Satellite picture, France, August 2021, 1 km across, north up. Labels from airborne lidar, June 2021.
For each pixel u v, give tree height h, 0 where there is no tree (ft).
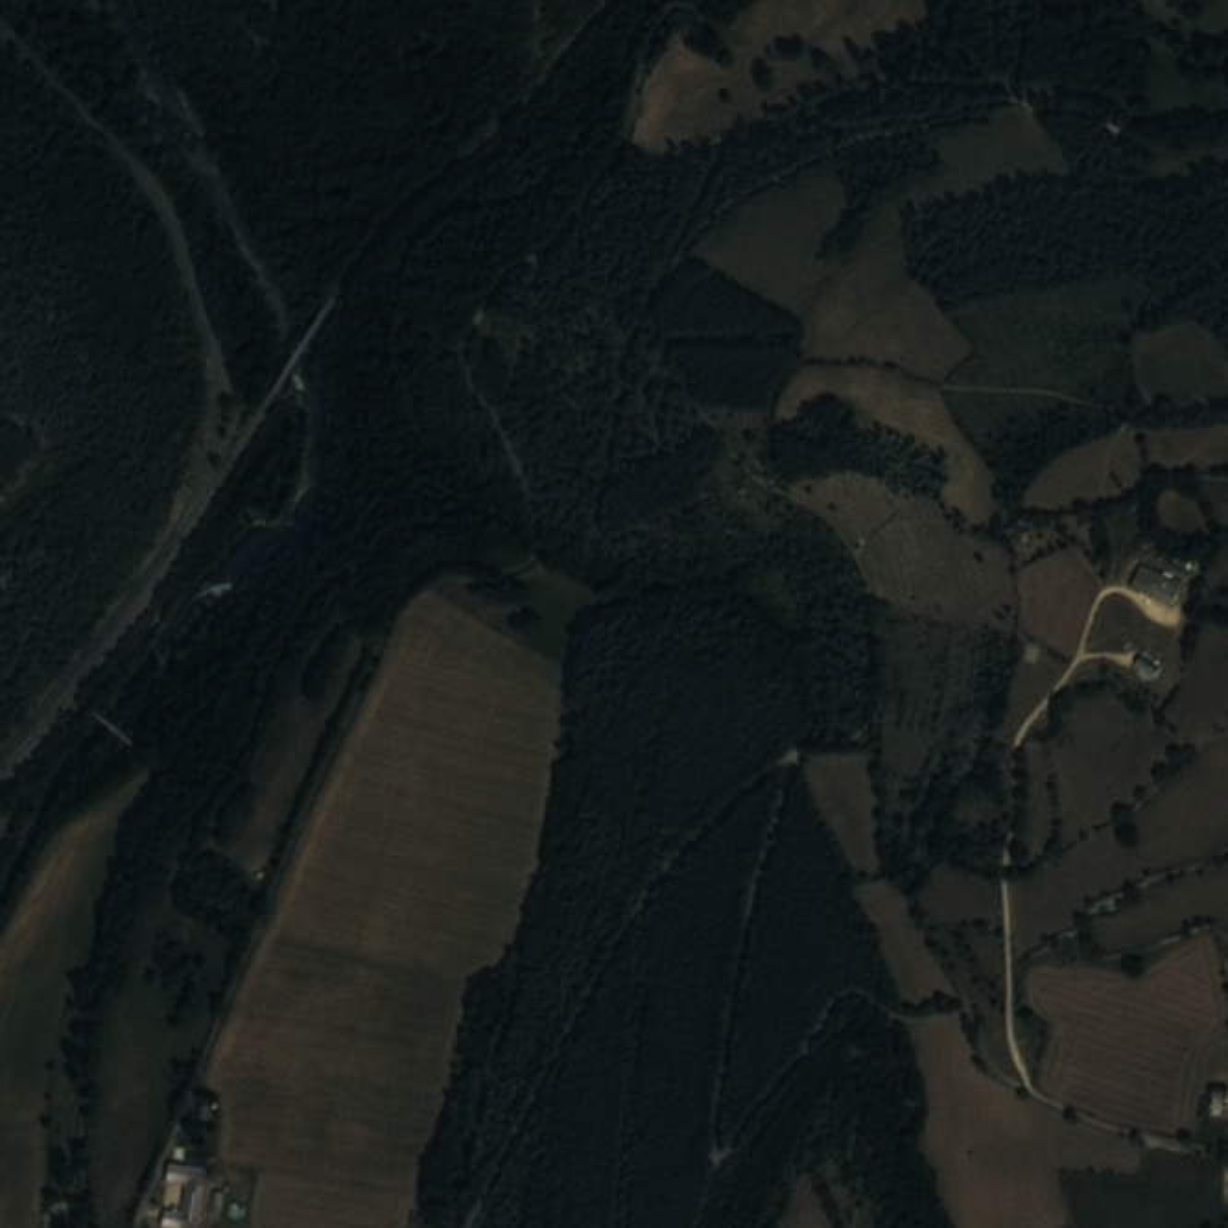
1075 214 54
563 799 49
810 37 0
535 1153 26
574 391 27
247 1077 0
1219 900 0
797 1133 27
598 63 57
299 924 0
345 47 74
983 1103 0
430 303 73
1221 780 0
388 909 0
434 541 67
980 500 0
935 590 0
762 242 0
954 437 0
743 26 0
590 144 50
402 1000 0
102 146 55
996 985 22
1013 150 0
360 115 38
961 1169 0
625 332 50
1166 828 0
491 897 0
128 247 53
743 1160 30
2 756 0
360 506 65
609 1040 40
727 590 47
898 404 0
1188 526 0
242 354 57
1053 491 0
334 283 54
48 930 0
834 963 28
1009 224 42
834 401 37
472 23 50
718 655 21
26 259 53
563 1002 20
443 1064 0
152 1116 0
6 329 26
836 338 0
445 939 0
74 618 42
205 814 37
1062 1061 0
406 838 0
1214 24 0
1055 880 0
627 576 52
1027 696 0
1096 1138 0
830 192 0
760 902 35
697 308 58
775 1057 33
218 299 91
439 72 72
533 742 0
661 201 38
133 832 60
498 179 80
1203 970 0
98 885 0
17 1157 0
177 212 40
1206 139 52
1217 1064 0
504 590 44
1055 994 0
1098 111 55
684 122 0
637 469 37
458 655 0
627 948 39
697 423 25
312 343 30
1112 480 0
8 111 58
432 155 75
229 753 50
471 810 0
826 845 32
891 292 0
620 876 23
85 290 40
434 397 44
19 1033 0
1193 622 39
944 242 31
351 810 0
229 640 57
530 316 38
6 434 50
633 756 42
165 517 39
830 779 0
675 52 0
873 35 0
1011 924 0
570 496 20
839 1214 20
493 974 30
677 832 31
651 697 37
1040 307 0
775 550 38
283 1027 0
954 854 24
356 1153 0
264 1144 0
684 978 38
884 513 0
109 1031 0
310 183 58
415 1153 0
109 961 42
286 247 39
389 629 30
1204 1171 0
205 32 77
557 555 53
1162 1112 0
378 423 75
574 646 21
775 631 52
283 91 59
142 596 0
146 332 41
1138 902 39
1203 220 52
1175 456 0
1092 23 77
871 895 0
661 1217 37
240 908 41
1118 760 0
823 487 0
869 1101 40
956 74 72
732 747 34
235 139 62
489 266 61
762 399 60
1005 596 0
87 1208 26
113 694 49
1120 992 0
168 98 0
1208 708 0
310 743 0
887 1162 32
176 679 47
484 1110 41
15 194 50
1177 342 0
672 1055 37
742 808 38
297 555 58
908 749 0
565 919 23
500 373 43
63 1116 0
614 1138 34
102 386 61
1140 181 26
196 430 45
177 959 19
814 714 33
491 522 57
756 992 35
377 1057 0
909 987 0
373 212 71
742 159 48
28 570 30
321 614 40
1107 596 0
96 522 37
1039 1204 0
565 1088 44
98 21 32
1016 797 31
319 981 0
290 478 63
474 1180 43
